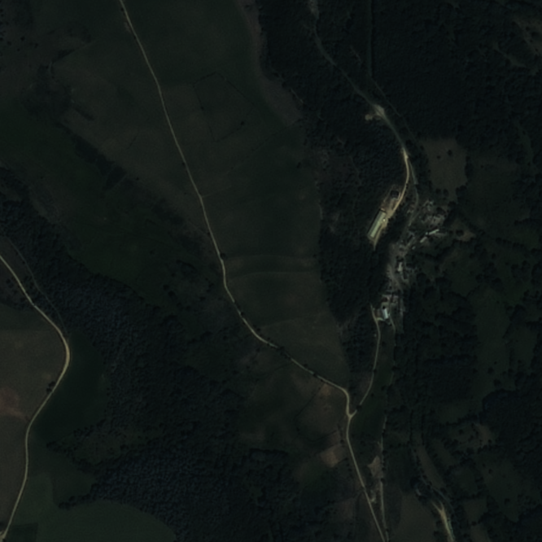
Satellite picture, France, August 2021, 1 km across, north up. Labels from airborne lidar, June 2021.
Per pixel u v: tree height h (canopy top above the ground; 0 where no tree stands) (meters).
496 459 0
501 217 0
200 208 0
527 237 0
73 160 0
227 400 22
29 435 0
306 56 19
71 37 0
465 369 22
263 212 0
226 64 0
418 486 21
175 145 0
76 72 0
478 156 0
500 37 23
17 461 0
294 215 0
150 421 6
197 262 0
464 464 16
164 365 26
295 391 0
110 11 0
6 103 0
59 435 0
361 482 0
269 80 0
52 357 0
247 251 0
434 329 20
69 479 0
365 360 8
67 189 0
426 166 7
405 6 13
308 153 0
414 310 18
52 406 0
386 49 16
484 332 0
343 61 20
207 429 21
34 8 0
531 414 35
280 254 0
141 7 0
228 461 18
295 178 0
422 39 18
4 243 0
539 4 19
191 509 18
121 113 0
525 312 23
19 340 0
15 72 0
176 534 6
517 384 14
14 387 0
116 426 7
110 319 10
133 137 0
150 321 23
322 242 10
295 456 0
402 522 0
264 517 20
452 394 21
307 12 12
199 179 0
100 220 0
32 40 0
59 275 19
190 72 0
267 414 0
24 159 0
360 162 12
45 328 0
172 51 0
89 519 0
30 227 16
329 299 7
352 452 0
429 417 16
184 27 0
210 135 0
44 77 0
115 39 0
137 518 0
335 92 20
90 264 0
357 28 24
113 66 0
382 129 9
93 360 0
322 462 0
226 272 0
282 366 0
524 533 25
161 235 0
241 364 0
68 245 0
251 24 0
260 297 0
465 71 20
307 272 0
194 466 14
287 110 0
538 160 18
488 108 22
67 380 0
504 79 15
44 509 0
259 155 0
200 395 18
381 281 6
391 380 0
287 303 0
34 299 6
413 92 20
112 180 0
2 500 0
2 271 0
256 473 17
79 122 0
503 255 0
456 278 0
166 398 16
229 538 19
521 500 9
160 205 0
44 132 0
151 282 0
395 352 12
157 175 0
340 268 9
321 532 6
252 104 0
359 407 9
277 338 0
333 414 0
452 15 25
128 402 6
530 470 24
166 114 0
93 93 0
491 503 19
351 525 6
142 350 14
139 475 14
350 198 9
